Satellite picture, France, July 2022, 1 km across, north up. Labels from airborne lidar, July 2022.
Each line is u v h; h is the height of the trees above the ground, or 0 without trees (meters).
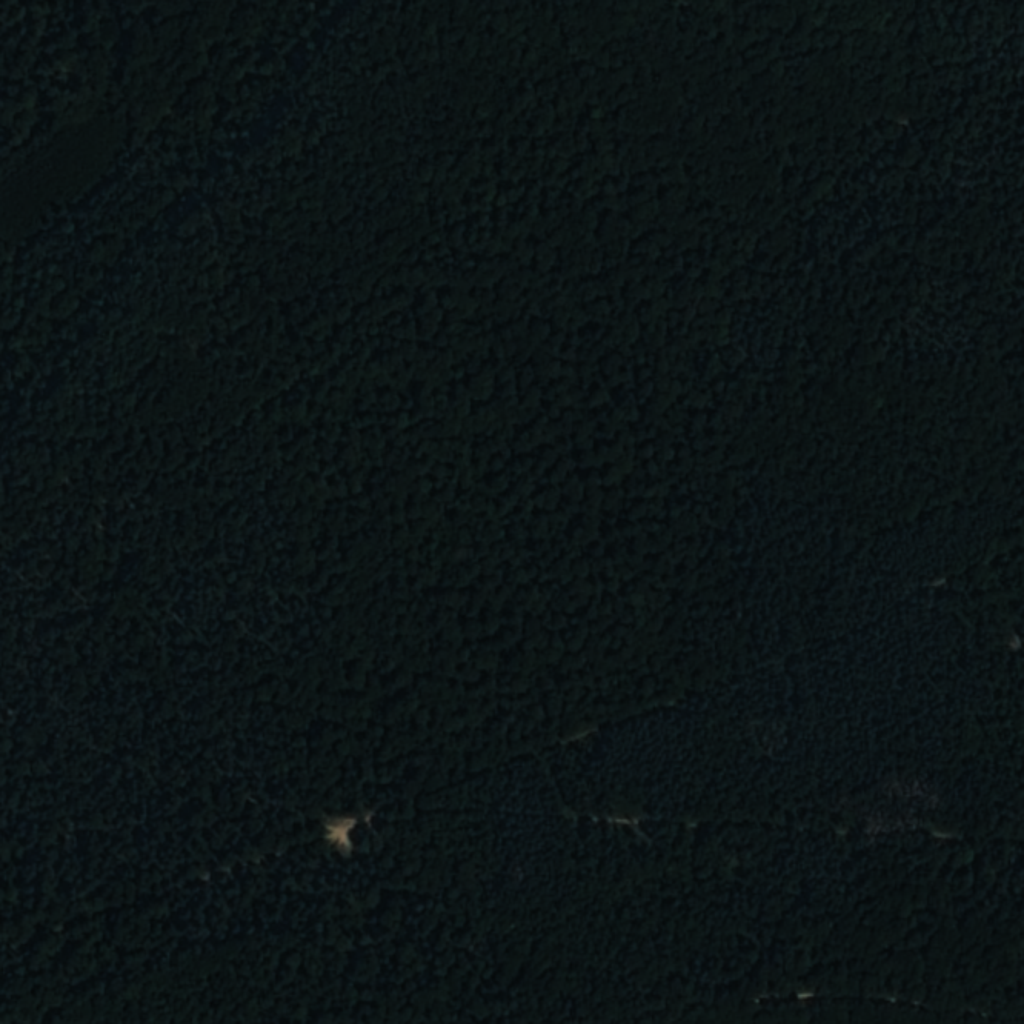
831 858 24
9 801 31
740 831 22
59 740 26
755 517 29
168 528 26
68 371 30
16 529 22
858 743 23
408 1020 27
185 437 24
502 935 18
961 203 25
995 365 21
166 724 6
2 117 36
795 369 27
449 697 26
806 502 25
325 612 30
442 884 27
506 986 21
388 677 10
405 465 29
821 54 23
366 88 18
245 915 15
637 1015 17
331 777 26
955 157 19
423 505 32
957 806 25
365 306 22
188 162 24
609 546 8
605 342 25
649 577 25
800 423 26
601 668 30
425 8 15
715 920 25
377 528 26
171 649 7
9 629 21
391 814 19
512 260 27
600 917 22
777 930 27
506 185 10
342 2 9
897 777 19
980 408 20
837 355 20
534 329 31
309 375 13
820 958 19
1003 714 19
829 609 21
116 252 11
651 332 25
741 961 21
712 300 30
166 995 24
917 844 18
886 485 19
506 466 17
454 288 29
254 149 35
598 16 27
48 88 33
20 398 11
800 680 33
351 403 10
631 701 26
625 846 18
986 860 22
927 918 27
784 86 28
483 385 24
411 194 23
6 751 28
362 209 28
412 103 21
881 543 20
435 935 15
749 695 25
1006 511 24
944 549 20
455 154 12
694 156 26
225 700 26
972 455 21
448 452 29
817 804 24
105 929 6
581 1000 26
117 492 25
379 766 12
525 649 32
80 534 28
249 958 26
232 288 20
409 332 30
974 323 24
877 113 27
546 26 21
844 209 24
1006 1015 16
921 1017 19
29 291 23
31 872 33
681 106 27
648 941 28
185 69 31
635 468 13
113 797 27
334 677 24
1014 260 24
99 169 13
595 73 25
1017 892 15
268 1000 24
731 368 29
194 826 27
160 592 24
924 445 21
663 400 31
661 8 22
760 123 28
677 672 20
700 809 22
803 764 26
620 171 15
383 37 23
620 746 27
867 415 27
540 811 29
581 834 8
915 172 18
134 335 20
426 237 21
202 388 24
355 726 21
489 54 16
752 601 32
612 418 31
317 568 15
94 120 11
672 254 20
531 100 25
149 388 18
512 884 29
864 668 26
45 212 11
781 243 20
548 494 33
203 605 26
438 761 24
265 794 8
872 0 25
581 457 30
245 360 6
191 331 23
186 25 32
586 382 21
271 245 23
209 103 25
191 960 27
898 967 26
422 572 29
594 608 31
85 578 26
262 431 25
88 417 22
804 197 26
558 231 28
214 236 26
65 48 33
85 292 9
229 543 23
